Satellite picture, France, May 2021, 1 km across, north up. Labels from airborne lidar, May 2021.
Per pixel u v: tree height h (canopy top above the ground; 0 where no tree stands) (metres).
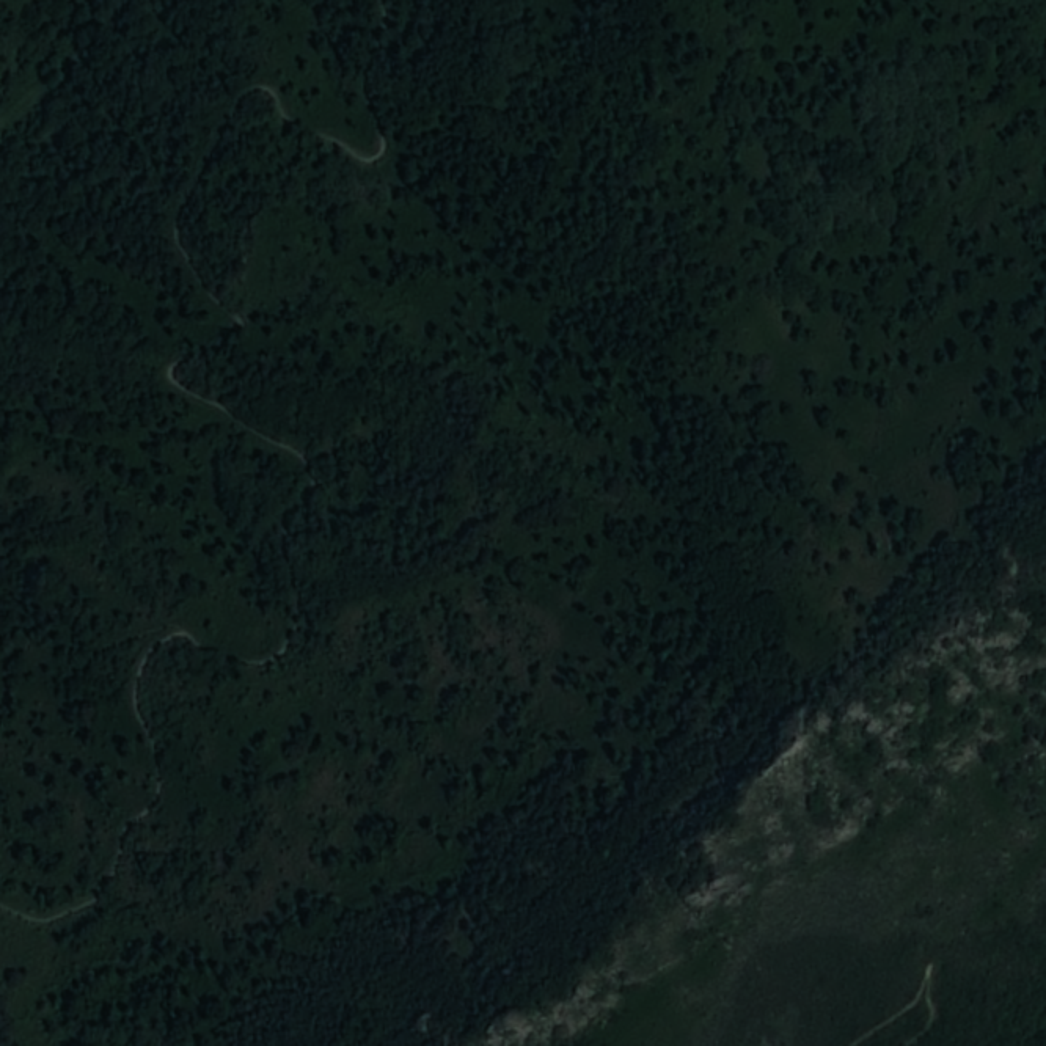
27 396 14
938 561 12
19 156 17
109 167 26
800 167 24
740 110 24
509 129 21
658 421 19
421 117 11
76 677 12
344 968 10
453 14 19
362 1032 18
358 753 13
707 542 18
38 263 20
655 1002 0
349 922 18
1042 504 13
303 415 8
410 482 16
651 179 0
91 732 23
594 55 22
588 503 8
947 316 9
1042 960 7
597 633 0
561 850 22
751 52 13
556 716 0
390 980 12
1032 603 12
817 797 12
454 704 19
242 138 13
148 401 17
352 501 16
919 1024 7
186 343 7
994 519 10
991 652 11
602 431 16
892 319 19
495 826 21
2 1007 18
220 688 6
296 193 22
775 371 12
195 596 15
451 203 18
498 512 5
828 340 0
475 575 25
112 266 24
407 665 23
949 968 7
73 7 15
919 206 21
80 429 18
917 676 18
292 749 20
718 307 14
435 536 16
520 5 21
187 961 22
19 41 23
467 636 14
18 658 15
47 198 24
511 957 13
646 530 17
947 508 0
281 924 19
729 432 19
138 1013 18
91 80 17
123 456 15
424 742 8
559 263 10
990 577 15
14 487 11
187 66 6
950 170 16
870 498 19
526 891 21
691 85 16
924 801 7
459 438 14
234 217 10
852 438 25
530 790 12
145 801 0
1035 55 19
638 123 13
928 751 20
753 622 22
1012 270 15
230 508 18
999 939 7
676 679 26
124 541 13
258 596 13
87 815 0
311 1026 13
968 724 17
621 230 7
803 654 0
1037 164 0
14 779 0
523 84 19
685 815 7
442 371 17
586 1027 6
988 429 0
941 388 0
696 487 22
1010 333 0
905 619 14
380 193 24
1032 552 8
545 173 21
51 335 7
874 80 20
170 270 17
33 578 22
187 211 11
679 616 14
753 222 17
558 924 16
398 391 6
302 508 13
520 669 0
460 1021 14
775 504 21
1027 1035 9
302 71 10
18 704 20
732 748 19
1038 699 19
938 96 19
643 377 12
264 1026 11
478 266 14
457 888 6
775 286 18
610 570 0
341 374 17
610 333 19
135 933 0
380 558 12
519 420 0
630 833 19
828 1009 6
